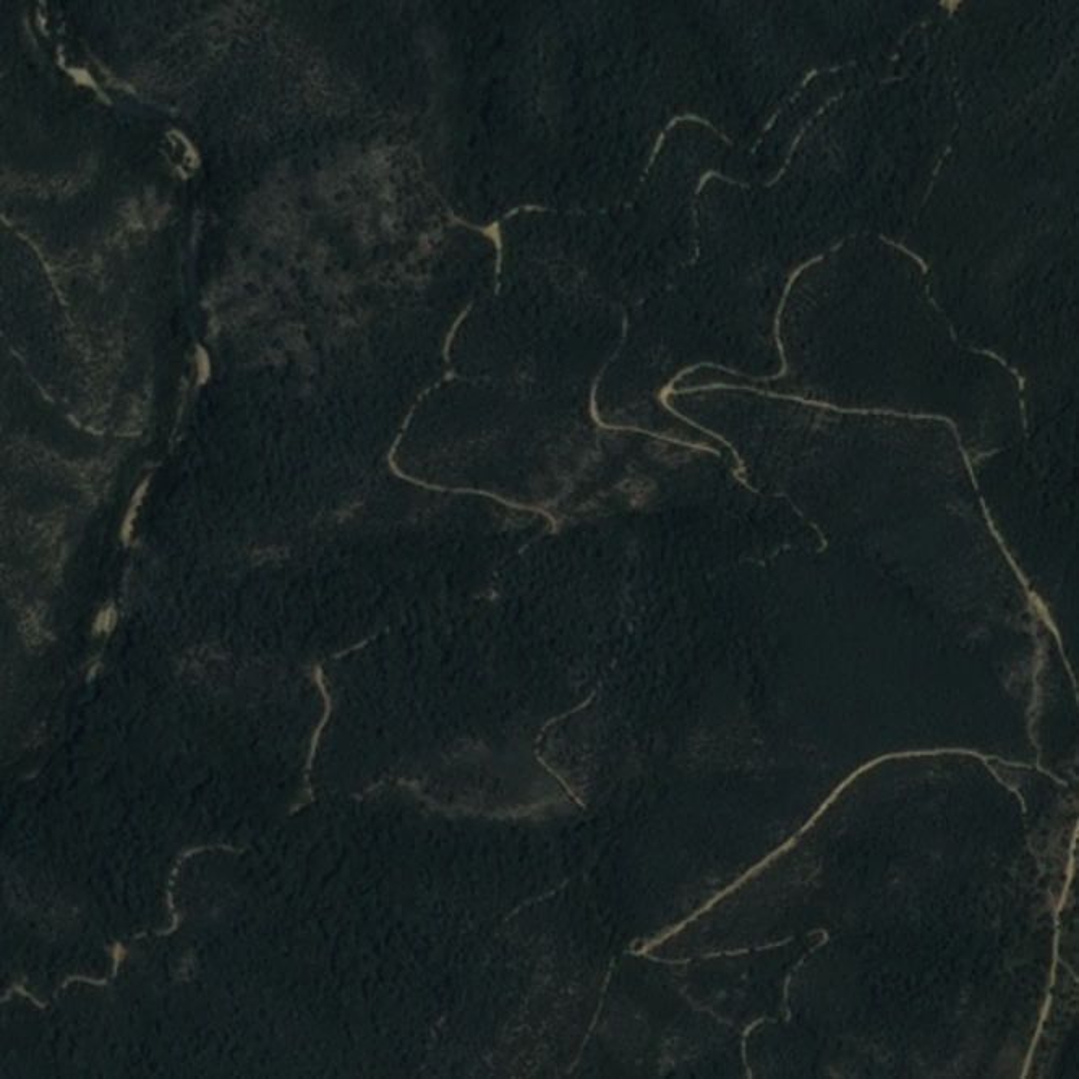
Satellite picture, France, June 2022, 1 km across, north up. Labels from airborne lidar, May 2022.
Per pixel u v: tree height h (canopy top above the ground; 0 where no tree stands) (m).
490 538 9
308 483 8
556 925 7
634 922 9
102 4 7
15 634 7
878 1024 7
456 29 19
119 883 15
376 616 16
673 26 11
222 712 8
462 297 14
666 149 6
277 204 0
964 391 7
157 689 8
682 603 13
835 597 7
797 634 6
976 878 6
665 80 7
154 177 10
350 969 13
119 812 7
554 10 8
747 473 8
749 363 7
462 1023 7
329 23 7
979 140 9
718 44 12
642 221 16
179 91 10
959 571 7
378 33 12
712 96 9
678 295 13
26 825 13
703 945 7
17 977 7
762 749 6
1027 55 6
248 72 9
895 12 6
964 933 9
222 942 13
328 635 8
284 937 7
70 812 12
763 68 8
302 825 18
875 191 11
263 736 8
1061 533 10
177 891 10
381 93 10
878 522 8
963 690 7
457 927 8
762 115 9
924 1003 10
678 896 7
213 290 0
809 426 6
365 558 15
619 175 13
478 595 8
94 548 16
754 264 8
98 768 13
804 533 10
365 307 6
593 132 9
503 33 13
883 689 6
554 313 9
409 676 10
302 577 10
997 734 7
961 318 11
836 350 8
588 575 6
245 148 12
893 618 8
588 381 7
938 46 8
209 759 13
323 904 11
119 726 15
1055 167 6
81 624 16
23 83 13
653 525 6
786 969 9
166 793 18
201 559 9
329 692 8
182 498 14
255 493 10
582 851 13
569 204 13
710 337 8
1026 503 11
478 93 12
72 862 8
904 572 8
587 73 16
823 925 7
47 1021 6
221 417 15
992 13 6
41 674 10
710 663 8
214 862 7
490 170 12
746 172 11
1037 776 6
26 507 6
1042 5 13
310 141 12
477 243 8
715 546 7
